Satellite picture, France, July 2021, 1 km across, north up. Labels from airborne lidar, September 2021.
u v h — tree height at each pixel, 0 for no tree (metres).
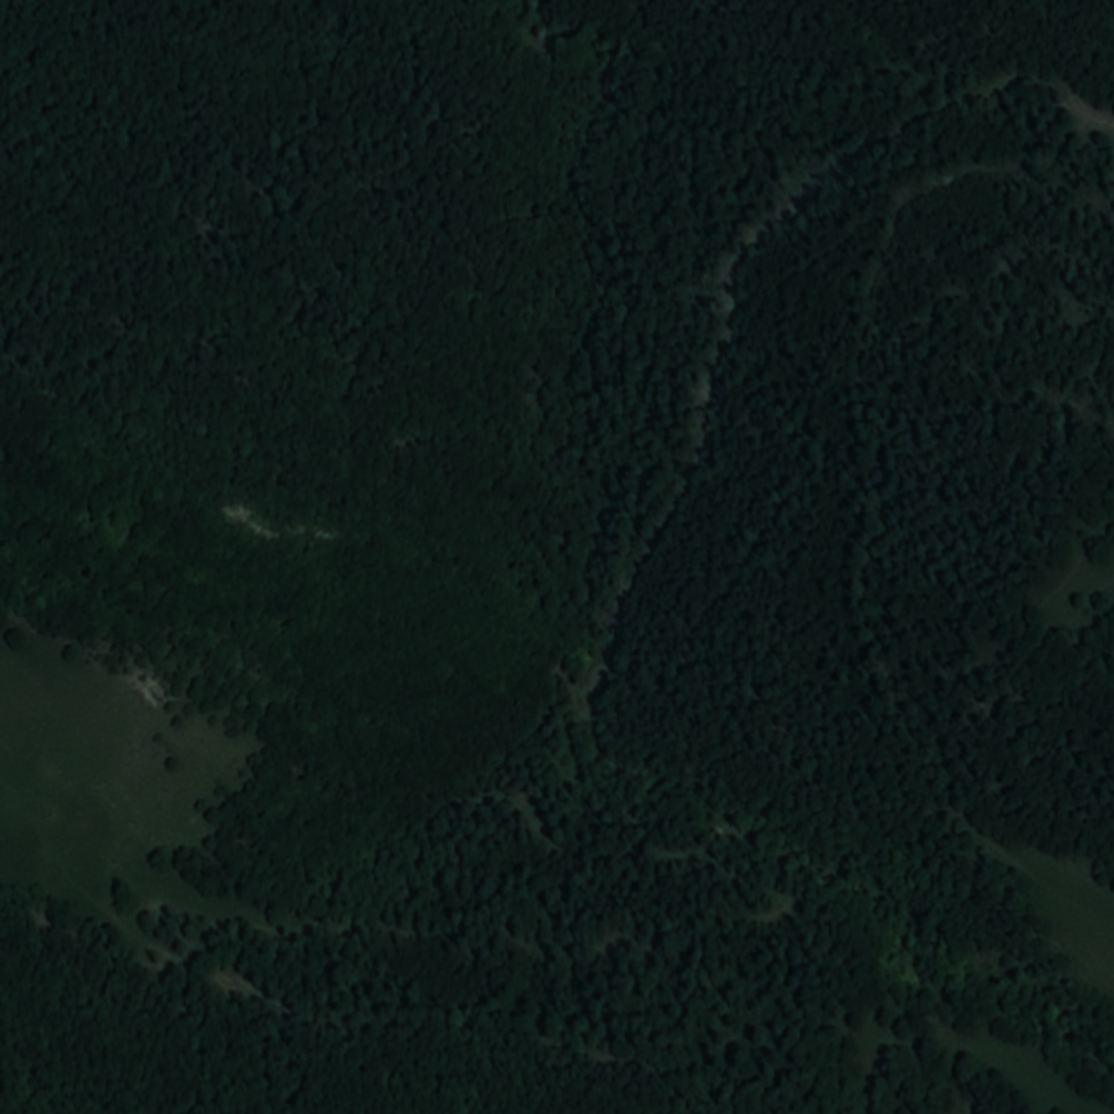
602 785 27
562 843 31
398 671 26
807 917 24
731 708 14
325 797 25
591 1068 26
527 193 25
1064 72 25
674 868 12
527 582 21
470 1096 26
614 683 17
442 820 28
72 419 17
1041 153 29
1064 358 16
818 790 24
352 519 22
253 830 22
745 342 19
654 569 14
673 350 26
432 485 28
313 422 31
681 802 26
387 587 20
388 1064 24
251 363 27
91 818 0
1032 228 20
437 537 15
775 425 29
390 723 15
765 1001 27
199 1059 25
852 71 23
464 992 13
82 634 10
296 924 0
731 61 18
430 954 12
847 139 10
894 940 10
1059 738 22
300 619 19
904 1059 26
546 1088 22
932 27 21
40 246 29
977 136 12
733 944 31
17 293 29
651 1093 23
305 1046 27
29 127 26
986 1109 21
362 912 30
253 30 24
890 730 29
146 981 24
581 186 29
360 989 25
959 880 25
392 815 23
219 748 0
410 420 25
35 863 0
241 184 27
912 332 15
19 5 25
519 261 30
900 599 10
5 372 15
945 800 21
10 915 26
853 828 24
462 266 26
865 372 10
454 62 24
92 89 30
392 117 21
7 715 0
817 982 28
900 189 10
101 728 0
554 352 28
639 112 29
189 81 27
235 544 21
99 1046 24
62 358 21
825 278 13
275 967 29
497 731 23
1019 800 24
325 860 28
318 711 16
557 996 29
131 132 20
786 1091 28
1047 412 28
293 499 19
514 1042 28
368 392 30
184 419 25
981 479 28
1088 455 25
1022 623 19
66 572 18
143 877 0
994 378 22
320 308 36
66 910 22
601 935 32
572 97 23
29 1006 27
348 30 24
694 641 7
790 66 35
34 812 0
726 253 17
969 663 24
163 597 18
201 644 16
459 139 32
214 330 27
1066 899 0
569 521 31
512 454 26
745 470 15
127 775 0
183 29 24
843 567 9
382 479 25
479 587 18
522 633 16
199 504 19
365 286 29
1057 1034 24
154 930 19
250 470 26
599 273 11
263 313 28
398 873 30
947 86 7
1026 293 11
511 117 25
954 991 25
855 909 24
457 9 27
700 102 23
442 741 21
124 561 16
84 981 26
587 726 17
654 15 28
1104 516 14
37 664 0
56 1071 28
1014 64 18
